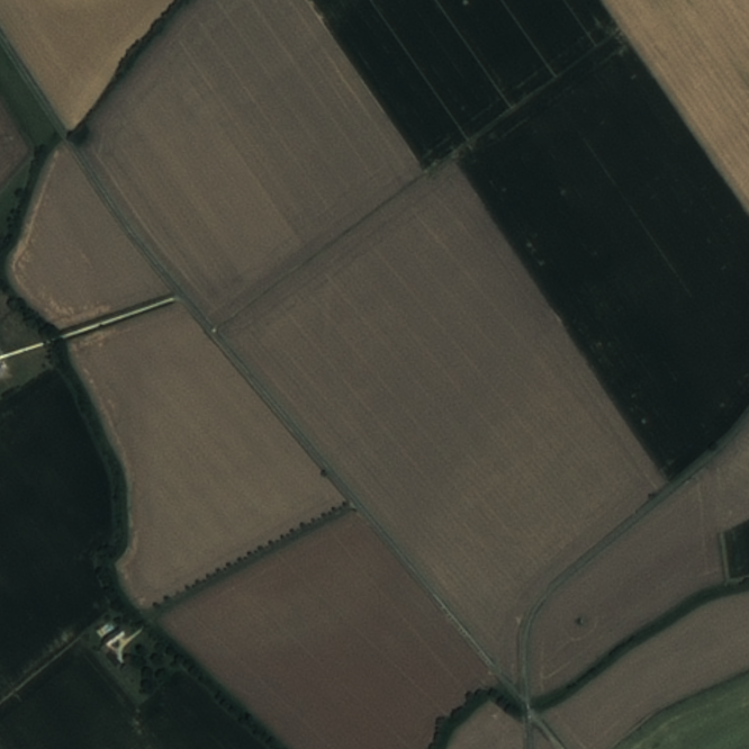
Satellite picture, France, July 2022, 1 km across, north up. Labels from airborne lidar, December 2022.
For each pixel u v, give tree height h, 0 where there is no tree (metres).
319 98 0
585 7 0
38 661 0
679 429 0
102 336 0
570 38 0
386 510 0
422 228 0
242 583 0
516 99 0
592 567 0
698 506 0
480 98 0
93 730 0
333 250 0
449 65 0
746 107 0
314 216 0
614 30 0
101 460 0
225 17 0
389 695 0
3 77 0
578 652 0
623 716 0
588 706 0
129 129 0
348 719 0
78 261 0
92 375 0
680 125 0
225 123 0
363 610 0
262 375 0
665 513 0
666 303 0
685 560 0
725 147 0
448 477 0
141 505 0
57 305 0
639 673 0
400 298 0
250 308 0
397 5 0
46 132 0
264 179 0
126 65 12
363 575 0
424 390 0
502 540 0
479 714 0
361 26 0
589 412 0
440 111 0
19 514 0
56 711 0
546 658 0
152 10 0
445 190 0
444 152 0
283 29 0
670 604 0
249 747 0
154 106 0
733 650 0
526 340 0
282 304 0
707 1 0
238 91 0
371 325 0
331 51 0
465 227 0
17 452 0
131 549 0
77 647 0
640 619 0
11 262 0
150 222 0
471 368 0
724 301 0
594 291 0
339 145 0
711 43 0
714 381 0
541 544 0
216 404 0
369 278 0
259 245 0
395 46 0
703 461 0
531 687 0
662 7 0
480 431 0
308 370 0
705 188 0
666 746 0
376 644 0
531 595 0
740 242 0
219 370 0
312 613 0
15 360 0
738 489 0
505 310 0
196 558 0
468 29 0
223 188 0
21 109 0
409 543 0
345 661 0
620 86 0
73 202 0
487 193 0
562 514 0
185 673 0
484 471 0
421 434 0
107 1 0
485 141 0
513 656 0
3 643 0
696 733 0
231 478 0
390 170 0
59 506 0
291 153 0
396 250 0
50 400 0
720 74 0
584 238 0
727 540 0
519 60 0
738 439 0
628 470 0
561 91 0
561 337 0
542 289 0
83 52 0
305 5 0
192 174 0
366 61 0
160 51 0
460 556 0
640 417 0
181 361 0
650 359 0
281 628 0
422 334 0
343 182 0
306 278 0
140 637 0
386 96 0
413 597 0
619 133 0
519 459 0
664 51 0
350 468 0
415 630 0
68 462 0
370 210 0
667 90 0
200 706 0
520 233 0
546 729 0
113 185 0
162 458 0
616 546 0
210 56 0
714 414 0
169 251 0
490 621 0
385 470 0
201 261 0
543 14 0
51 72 0
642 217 0
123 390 0
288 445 0
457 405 0
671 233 0
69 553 0
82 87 0
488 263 0
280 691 0
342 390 0
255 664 0
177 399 0
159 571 0
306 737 0
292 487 0
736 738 0
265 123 0
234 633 0
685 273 0
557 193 0
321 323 0
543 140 0
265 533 0
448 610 0
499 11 0
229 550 0
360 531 0
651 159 0
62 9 0
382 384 0
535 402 0
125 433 0
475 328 0
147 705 0
